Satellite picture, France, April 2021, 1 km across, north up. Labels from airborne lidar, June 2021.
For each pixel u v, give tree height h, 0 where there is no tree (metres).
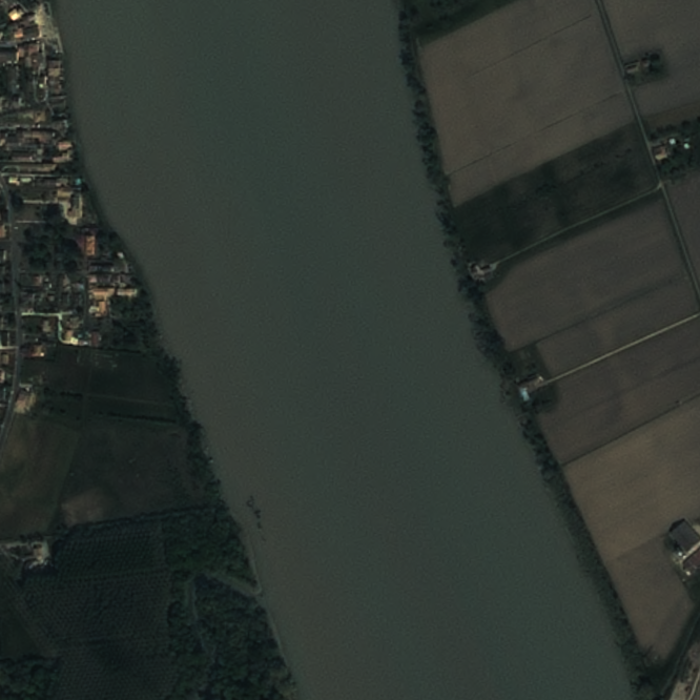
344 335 0
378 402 0
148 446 0
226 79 0
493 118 0
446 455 0
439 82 0
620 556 0
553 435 0
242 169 0
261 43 0
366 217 0
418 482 0
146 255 0
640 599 0
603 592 24
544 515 0
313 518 0
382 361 0
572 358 0
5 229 0
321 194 0
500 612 0
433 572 0
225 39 0
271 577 0
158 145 0
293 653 0
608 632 0
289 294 0
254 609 13
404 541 0
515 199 0
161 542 23
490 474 0
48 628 25
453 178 0
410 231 0
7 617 9
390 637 0
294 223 0
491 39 0
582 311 0
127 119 0
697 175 0
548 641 0
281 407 0
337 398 0
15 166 0
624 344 0
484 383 0
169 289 0
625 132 0
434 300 0
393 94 0
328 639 0
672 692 0
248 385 0
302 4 0
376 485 0
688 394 0
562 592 0
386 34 0
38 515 0
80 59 0
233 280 0
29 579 23
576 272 0
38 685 19
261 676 22
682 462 0
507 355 27
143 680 26
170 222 0
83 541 21
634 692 10
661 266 0
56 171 11
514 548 0
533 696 0
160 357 8
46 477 0
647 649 0
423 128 15
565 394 0
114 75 0
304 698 0
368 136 0
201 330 0
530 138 0
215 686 18
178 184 0
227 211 0
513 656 0
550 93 0
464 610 0
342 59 0
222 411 0
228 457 0
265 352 0
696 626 0
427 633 0
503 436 0
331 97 0
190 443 7
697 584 0
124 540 23
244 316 0
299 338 0
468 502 0
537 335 0
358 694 0
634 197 0
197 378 0
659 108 0
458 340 0
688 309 0
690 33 0
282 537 0
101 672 24
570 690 0
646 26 0
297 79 0
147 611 25
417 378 0
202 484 7
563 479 16
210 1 0
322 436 0
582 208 0
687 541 0
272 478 0
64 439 0
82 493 0
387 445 0
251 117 0
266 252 0
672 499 0
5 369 7
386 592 0
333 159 0
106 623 25
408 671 0
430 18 0
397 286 0
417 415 0
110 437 0
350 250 0
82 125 0
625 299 0
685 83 0
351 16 0
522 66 0
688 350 0
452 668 0
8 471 0
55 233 18
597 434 0
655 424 0
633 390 0
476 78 0
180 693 19
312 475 0
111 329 9
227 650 16
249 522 0
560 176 0
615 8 0
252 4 0
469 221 0
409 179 0
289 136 0
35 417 12
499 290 0
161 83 0
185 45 0
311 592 0
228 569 17
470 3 15
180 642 17
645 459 0
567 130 0
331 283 0
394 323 0
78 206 0
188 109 0
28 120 9
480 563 0
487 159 0
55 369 0
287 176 0
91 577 22
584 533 23
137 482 0
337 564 0
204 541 20
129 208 0
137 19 0
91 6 0
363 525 0
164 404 0
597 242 0
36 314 7
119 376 0
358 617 0
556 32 0
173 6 0
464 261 10
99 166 0
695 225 0
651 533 0
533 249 0
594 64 0
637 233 0
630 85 14
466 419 0
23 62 9
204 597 20
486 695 0
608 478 0
